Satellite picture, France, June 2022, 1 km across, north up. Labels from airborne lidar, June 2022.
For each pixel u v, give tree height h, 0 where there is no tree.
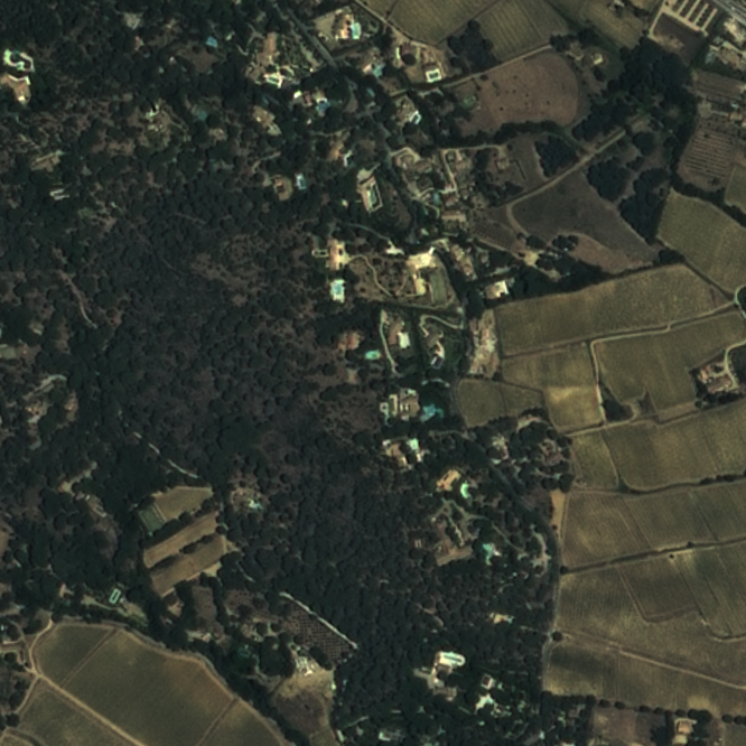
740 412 0
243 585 9
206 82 13
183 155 11
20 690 12
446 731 9
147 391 10
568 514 0
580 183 0
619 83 12
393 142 11
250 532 12
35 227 13
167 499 0
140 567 8
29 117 6
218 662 12
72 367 11
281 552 12
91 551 14
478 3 0
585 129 11
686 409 0
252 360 10
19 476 10
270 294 8
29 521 11
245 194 11
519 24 0
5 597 8
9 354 0
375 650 13
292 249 7
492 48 10
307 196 10
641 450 0
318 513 9
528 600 7
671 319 0
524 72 0
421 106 11
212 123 12
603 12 0
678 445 0
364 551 8
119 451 9
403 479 7
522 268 9
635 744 0
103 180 9
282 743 0
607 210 0
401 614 11
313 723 0
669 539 0
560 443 9
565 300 0
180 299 6
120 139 12
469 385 0
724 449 0
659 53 10
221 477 16
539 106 0
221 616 12
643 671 0
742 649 0
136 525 13
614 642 0
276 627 10
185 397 7
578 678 0
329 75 8
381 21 5
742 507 0
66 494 10
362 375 12
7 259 11
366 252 11
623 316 0
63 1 7
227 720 0
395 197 5
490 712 11
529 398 0
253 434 13
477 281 7
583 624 0
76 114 11
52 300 9
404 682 12
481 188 10
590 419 0
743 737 0
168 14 12
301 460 9
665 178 11
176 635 16
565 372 0
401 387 10
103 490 13
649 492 0
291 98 11
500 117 0
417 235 7
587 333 0
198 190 11
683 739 0
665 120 14
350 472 7
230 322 12
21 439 18
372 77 14
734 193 0
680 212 0
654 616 0
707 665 0
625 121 10
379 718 12
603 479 0
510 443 9
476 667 10
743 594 0
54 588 12
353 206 12
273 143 12
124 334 11
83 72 11
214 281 8
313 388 9
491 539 12
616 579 0
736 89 0
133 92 7
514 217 0
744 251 0
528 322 0
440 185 11
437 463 14
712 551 0
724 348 0
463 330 8
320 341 12
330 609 11
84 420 8
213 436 12
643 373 0
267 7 10
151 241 10
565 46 27
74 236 7
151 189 10
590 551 0
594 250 0
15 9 15
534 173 0
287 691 0
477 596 10
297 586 13
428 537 10
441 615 13
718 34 7
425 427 13
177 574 0
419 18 0
